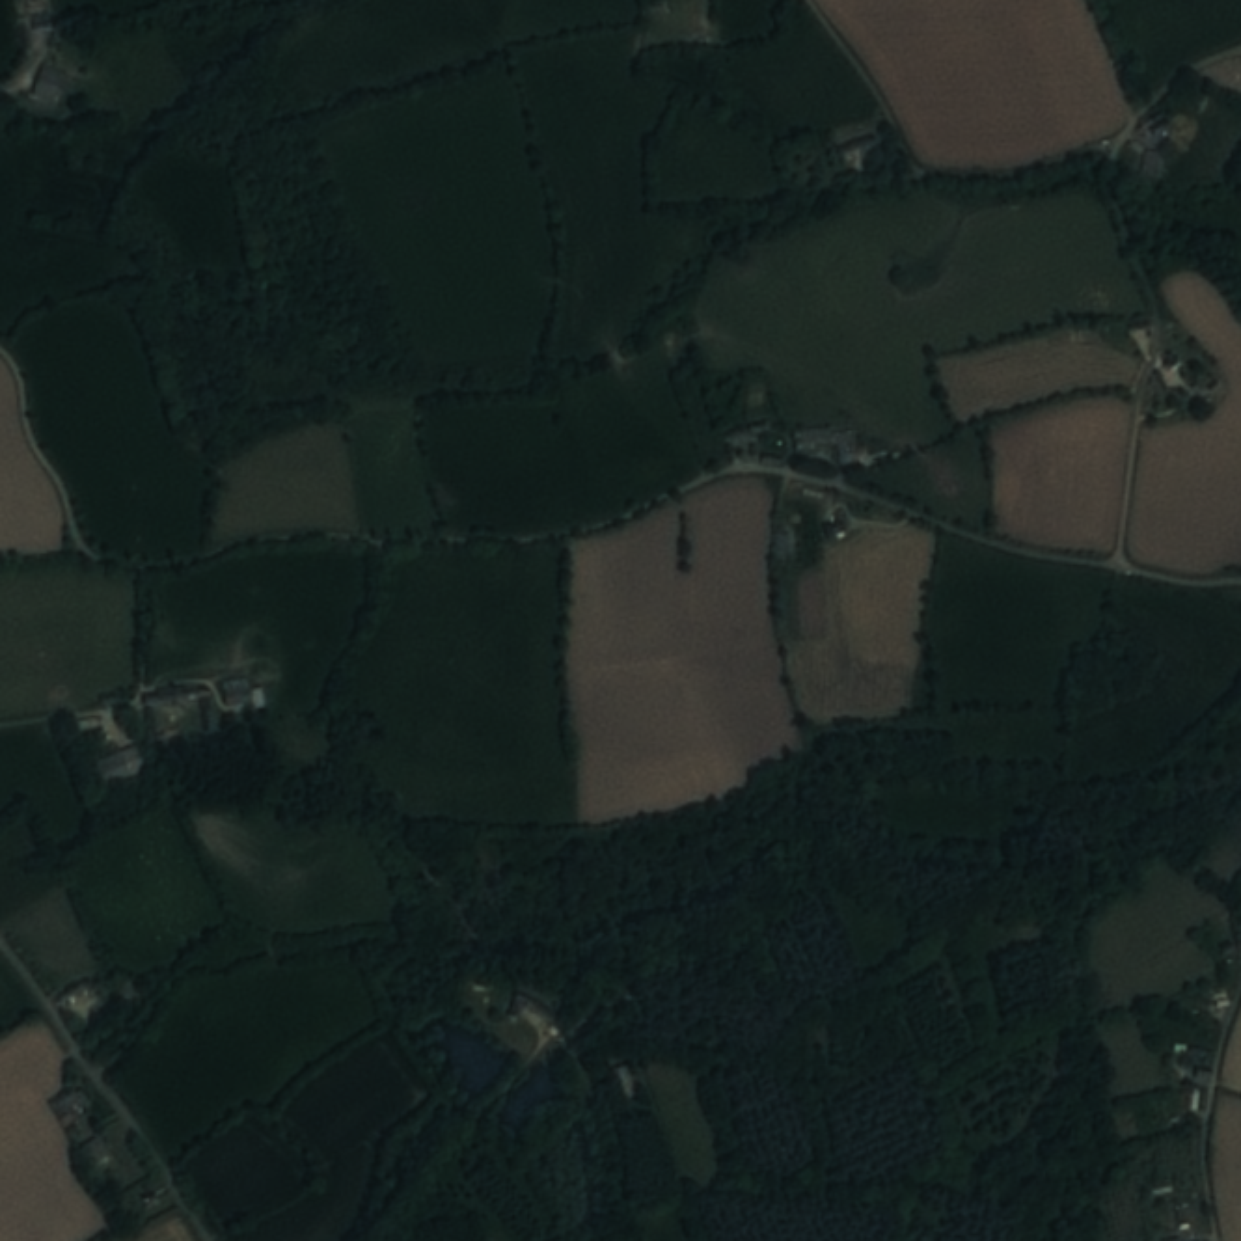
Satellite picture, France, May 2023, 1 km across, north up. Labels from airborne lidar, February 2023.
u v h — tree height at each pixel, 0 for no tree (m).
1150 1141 7
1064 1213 21
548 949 9
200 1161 0
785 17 11
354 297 12
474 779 0
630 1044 13
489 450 0
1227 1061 0
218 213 0
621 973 15
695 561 0
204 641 0
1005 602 0
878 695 0
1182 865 12
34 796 0
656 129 7
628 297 0
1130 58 15
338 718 14
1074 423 0
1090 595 0
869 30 0
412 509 0
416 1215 20
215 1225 0
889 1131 15
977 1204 16
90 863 0
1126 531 0
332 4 13
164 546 0
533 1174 11
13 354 0
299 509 0
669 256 0
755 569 0
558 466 0
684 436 0
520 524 0
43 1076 0
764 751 0
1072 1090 19
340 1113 0
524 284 0
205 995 0
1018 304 0
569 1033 13
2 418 0
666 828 10
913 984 9
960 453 0
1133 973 0
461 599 0
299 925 0
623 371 0
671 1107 0
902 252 0
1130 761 0
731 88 8
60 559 10
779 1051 16
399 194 0
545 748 0
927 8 0
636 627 0
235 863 0
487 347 0
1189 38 0
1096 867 15
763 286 0
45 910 0
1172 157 11
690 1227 15
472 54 0
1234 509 0
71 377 0
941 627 0
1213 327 0
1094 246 0
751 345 0
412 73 0
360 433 0
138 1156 13
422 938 24
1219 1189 0
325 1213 0
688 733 0
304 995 0
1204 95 11
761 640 0
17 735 0
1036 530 0
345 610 0
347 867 0
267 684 0
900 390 0
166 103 0
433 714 0
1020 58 0
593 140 0
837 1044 13
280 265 7
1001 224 0
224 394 13
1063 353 0
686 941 19
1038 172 15
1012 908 24
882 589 0
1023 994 23
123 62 0
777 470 0
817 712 0
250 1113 10
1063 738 15
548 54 0
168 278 11
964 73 0
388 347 13
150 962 0
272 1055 0
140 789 13
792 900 9
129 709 11
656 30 0
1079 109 0
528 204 0
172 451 0
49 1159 0
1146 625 0
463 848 14
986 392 0
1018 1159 22
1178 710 0
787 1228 17
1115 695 12
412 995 13
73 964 0
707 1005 15
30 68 0
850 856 22
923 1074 15
